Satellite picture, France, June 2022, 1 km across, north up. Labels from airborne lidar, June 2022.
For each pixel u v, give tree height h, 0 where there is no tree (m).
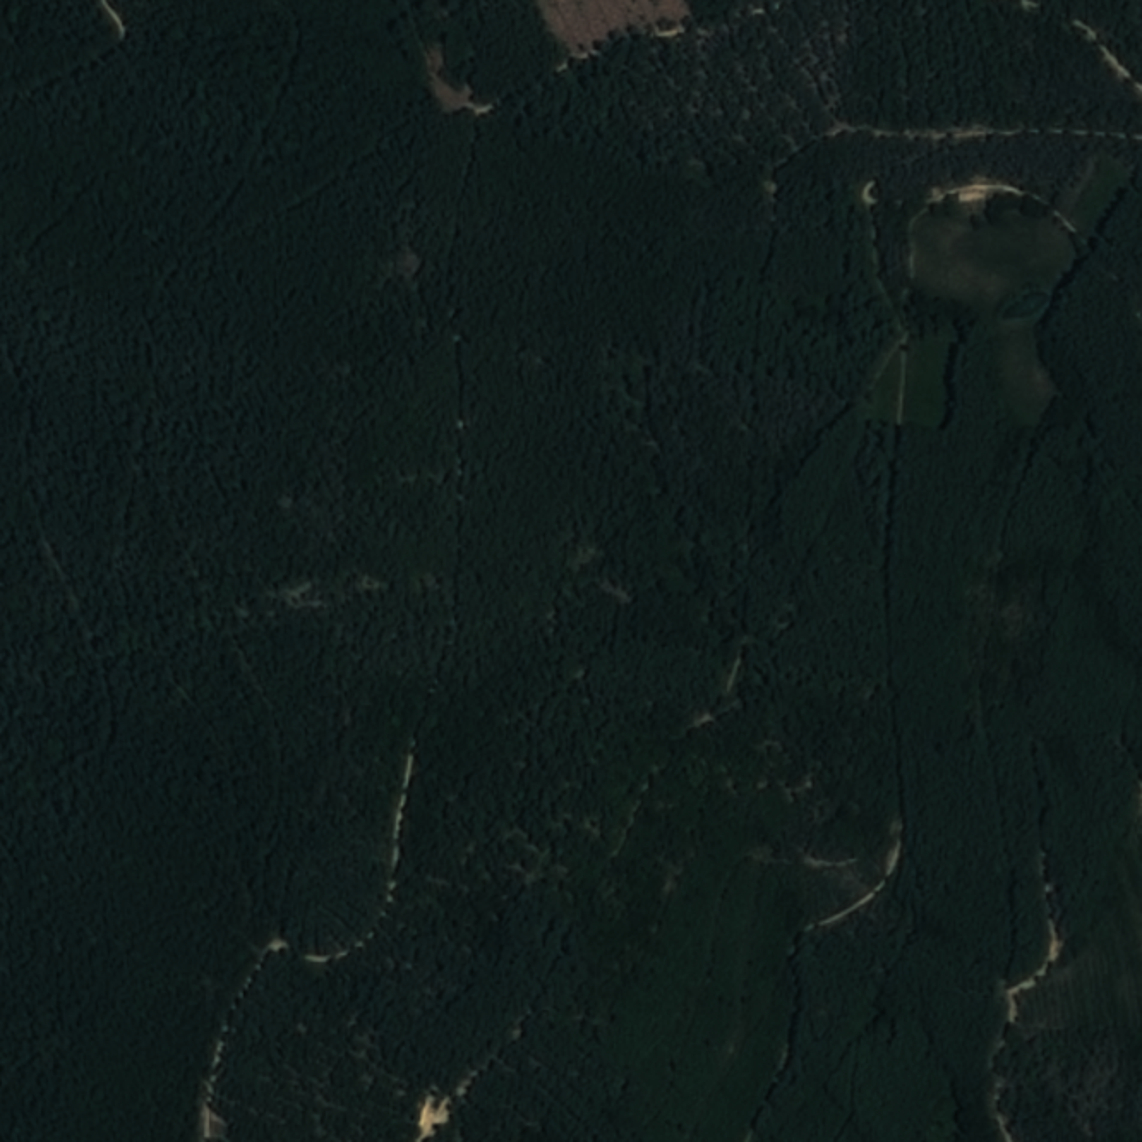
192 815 16
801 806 16
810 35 13
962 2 18
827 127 15
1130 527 21
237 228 15
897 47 14
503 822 17
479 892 11
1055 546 32
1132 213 27
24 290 15
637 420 26
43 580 13
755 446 16
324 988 16
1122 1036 14
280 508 9
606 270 25
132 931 10
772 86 16
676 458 24
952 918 19
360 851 19
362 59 11
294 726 9
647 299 23
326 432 8
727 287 25
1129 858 6
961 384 29
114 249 12
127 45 14
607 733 19
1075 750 30
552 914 34
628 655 22
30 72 15
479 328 22
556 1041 23
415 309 18
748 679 9
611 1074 22
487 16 16
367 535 22
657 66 20
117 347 22
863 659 24
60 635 14
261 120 11
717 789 15
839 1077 18
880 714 18
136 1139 9
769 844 17
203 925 10
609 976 12
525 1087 18
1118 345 32
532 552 21
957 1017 19
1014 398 0
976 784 30
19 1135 9
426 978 19
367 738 11
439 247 19
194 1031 7
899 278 15
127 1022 11
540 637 17
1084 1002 6
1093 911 30
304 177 13
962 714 14
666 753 13
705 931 7
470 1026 33
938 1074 19
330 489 8
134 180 15
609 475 24
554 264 22
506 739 17
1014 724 21
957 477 29
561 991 33
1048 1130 18
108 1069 9
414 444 17
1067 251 0
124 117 13
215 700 10
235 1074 17
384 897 14
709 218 15
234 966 13
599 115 22
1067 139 19
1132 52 15
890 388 0
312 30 11
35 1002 10
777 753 12
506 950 24
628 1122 18
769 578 25
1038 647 10
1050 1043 10
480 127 18
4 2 18
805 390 20
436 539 18
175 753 12
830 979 25
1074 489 37
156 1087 9
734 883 8
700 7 16
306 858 18
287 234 14
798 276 28
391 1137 14
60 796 11
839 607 25
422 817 18
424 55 9
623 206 19
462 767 16
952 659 21
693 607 16
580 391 21
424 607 22
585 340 25
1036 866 30
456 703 15
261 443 9
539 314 17
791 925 11
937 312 19
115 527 18
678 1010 8
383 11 11
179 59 14
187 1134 6
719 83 18
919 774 23
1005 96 14
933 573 18
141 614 17
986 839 33
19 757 19
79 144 13
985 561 16
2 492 16
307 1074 13
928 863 25
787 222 18
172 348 16
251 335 13
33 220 13
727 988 7
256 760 11
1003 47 12
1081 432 27
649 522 20
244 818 8
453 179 16
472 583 22
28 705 17
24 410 15
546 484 22
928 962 23
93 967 13
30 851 8
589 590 15
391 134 9
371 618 14
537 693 24
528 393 26
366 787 11
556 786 24
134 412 26
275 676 11
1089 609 18
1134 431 28
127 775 11
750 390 21
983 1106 17
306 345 12
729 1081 7
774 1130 23
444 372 21
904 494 29
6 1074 14
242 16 11
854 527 14
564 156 20
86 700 11
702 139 17
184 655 9
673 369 11
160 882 10
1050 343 18
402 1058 32
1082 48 8
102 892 9
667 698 24
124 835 10
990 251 0
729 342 27
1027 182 6
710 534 24
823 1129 10
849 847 15
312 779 7
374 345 13
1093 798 29
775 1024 8
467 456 20
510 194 18
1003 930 20
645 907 11
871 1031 11
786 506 29
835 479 31
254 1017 19
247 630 7
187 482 11
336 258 11
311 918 21
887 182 15
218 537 13
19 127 15
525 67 17
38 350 13
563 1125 23
